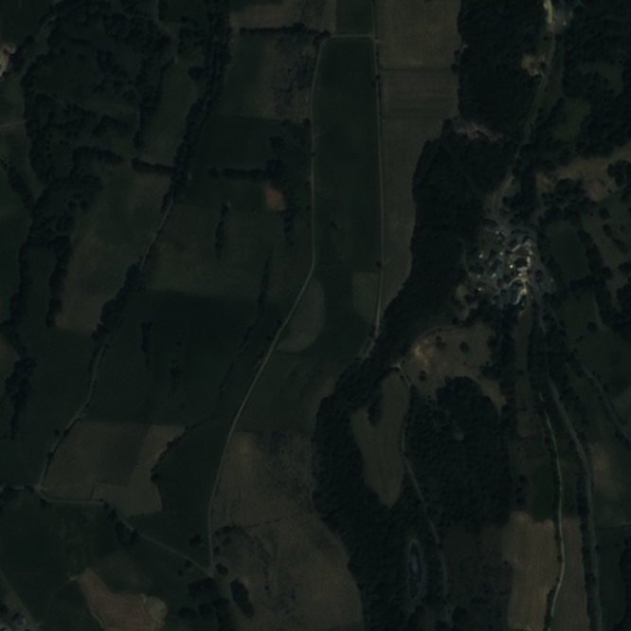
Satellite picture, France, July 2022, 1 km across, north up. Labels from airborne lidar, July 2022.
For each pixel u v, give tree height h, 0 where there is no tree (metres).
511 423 12
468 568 0
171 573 0
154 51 9
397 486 0
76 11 20
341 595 0
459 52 9
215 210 0
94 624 0
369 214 0
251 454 0
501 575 0
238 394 0
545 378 18
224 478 0
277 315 0
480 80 23
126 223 0
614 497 0
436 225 26
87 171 0
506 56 24
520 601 0
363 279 0
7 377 0
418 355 0
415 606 0
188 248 0
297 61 0
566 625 0
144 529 0
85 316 0
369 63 0
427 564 9
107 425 0
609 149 23
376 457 0
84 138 0
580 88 18
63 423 0
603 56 15
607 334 0
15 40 0
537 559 0
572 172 0
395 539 14
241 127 0
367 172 0
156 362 0
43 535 0
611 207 0
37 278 0
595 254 24
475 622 0
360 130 0
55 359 0
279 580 0
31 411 0
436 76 0
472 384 14
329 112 0
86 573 0
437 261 27
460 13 10
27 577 0
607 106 15
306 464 0
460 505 16
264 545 0
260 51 0
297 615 0
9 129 0
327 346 0
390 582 22
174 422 0
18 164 0
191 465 0
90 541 0
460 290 0
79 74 0
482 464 20
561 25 0
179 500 0
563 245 0
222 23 15
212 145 0
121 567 0
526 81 7
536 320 9
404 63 0
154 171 9
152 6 0
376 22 0
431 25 0
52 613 0
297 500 0
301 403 0
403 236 0
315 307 0
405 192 0
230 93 0
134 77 0
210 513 0
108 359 0
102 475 0
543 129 15
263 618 0
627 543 15
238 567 0
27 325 0
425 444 13
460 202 23
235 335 0
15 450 0
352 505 28
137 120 0
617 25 15
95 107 0
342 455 33
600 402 7
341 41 0
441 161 26
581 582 0
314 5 0
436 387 0
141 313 0
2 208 0
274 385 0
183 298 0
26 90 12
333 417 25
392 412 0
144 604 0
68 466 0
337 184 0
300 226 0
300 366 0
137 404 0
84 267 0
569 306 0
